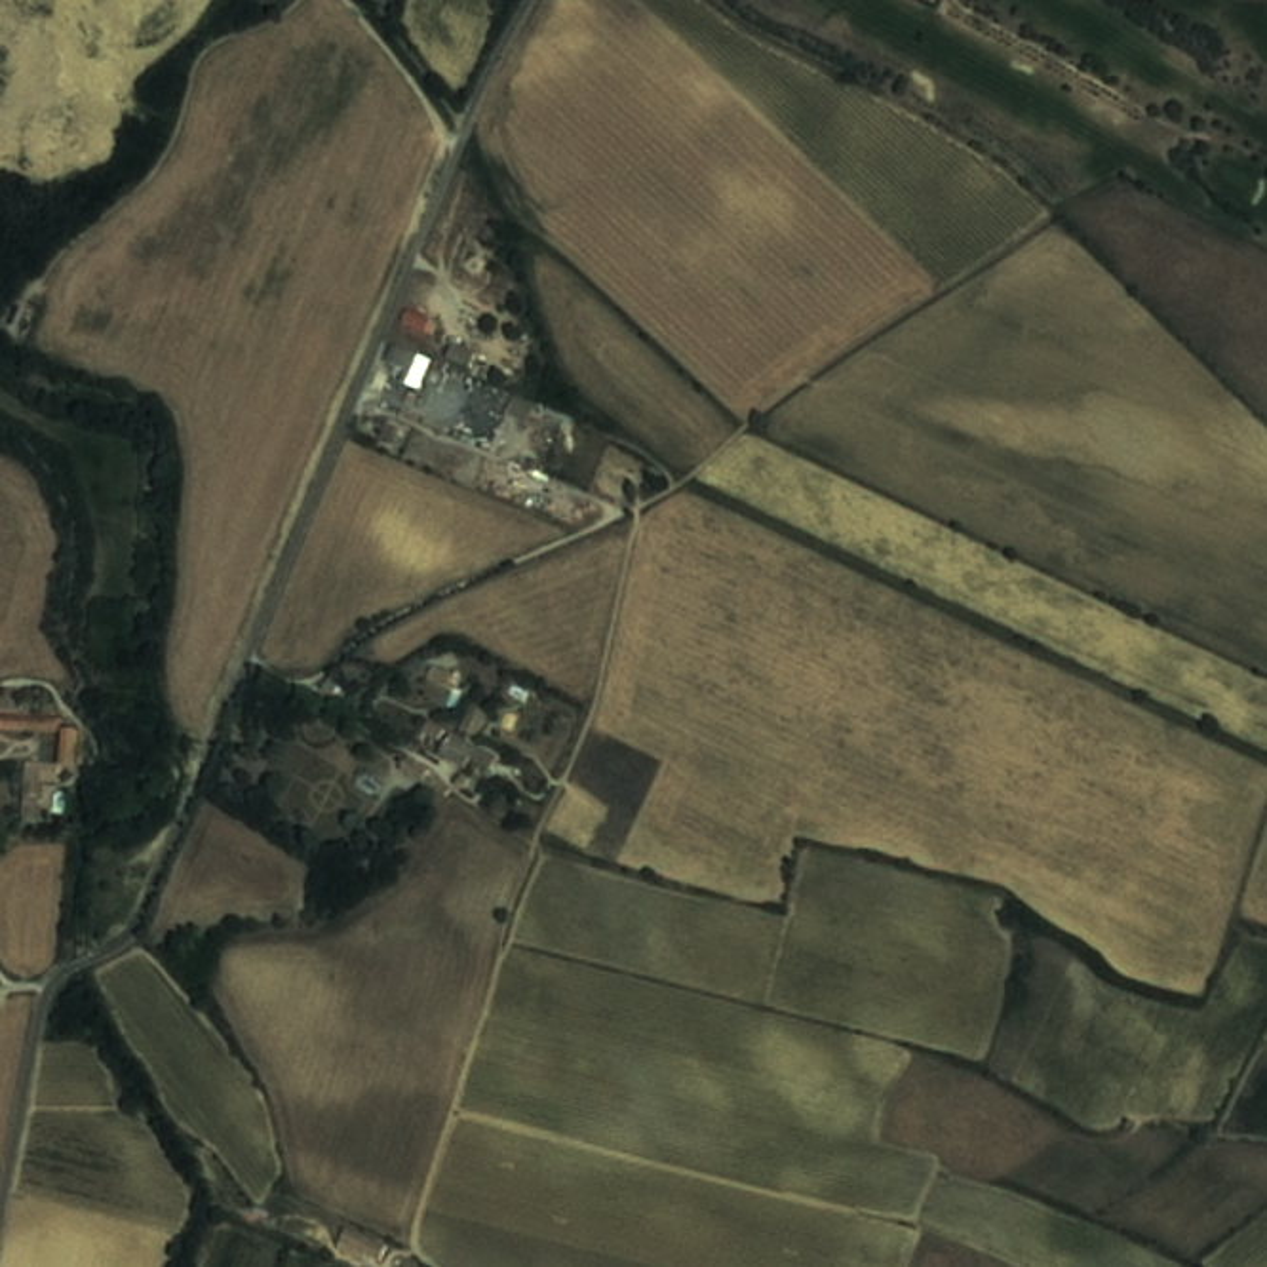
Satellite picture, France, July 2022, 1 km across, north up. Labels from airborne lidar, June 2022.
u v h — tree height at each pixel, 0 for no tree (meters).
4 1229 0
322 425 0
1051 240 0
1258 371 0
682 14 0
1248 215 9
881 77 6
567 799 0
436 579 0
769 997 0
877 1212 0
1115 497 0
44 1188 0
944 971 0
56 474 6
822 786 0
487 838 0
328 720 16
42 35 0
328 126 0
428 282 0
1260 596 0
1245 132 0
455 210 0
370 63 0
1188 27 8
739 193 0
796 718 0
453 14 0
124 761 11
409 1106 0
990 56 0
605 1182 0
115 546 0
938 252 0
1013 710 0
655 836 0
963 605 0
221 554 0
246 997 0
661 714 0
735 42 0
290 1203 0
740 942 0
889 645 0
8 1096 0
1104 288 0
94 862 16
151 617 9
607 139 0
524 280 14
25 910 0
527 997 0
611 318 0
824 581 0
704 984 0
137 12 0
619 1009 0
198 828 0
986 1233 0
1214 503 0
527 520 0
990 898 0
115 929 0
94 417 20
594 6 0
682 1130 0
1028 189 7
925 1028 0
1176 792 0
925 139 0
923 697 0
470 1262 0
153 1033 0
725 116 0
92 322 0
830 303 0
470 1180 0
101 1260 0
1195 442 0
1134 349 0
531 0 0
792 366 0
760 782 0
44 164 0
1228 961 0
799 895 0
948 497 0
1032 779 0
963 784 0
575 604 0
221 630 0
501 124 0
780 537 0
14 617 0
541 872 0
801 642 0
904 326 0
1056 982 0
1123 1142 0
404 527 0
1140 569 0
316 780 0
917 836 0
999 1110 0
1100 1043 0
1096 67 10
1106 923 0
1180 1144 0
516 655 0
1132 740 0
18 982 0
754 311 0
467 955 0
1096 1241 0
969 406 0
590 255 0
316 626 0
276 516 0
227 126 0
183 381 0
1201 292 0
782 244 0
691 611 0
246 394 0
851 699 0
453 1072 0
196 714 0
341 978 0
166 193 0
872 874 0
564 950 0
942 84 0
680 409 0
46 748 0
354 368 0
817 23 0
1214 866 0
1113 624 0
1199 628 0
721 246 0
